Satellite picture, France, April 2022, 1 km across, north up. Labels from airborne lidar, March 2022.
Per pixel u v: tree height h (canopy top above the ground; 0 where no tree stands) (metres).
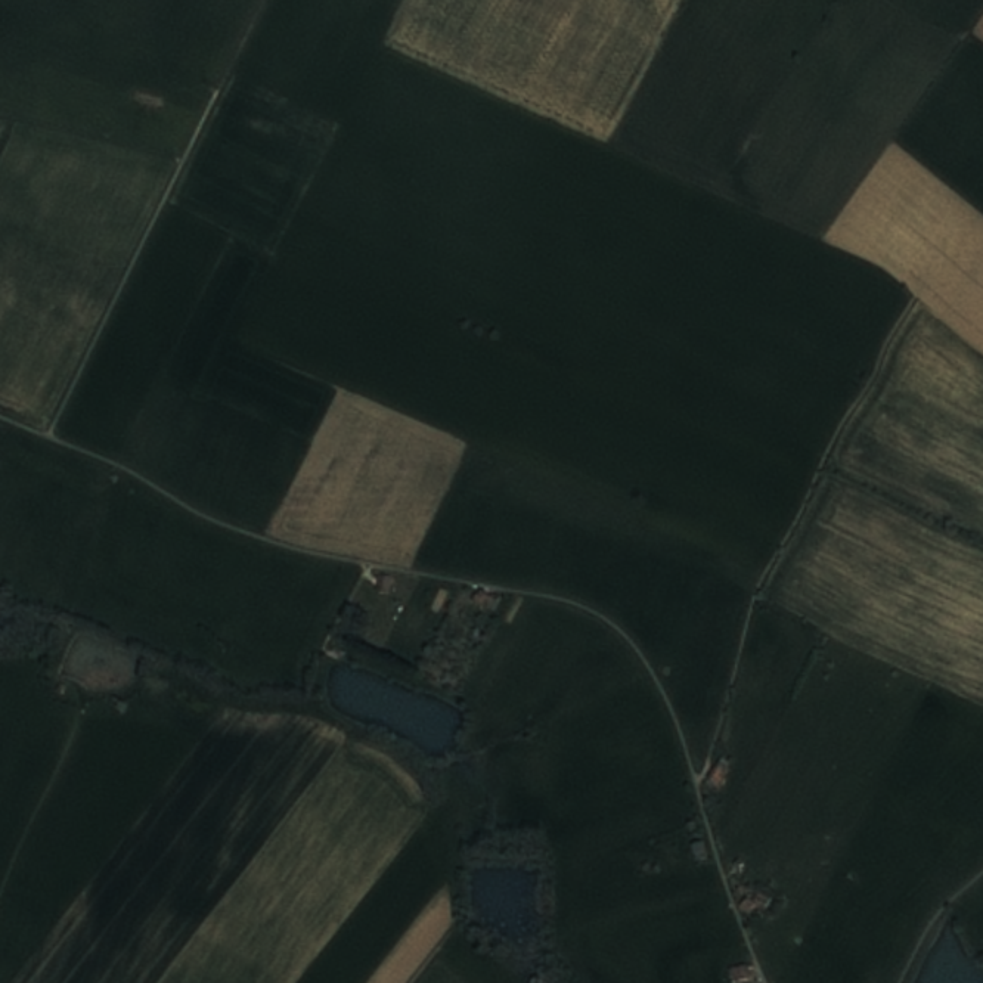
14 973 0
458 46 0
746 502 0
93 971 0
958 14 0
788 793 0
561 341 0
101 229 0
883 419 0
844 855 0
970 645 0
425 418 0
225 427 0
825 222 0
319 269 0
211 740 0
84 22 0
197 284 0
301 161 0
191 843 0
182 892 0
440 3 0
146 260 0
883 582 0
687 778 0
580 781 0
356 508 0
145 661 14
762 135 0
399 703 0
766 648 0
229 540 0
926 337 0
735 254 0
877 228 0
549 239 0
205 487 0
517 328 0
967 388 0
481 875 0
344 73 0
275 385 0
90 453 0
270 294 0
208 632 6
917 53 0
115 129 0
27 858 0
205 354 0
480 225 0
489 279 0
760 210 0
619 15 0
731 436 0
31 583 0
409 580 0
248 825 0
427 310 0
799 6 0
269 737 0
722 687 0
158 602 0
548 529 0
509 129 0
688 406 0
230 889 0
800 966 0
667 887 0
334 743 0
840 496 0
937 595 0
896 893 0
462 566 0
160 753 0
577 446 0
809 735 0
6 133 0
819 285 0
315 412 0
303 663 0
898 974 0
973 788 0
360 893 0
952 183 0
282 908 0
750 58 0
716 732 0
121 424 0
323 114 0
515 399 0
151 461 0
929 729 0
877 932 0
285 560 0
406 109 0
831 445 0
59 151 0
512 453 0
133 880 0
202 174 0
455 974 0
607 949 0
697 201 0
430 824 0
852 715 0
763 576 0
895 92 0
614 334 0
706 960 0
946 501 0
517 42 0
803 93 0
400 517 0
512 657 0
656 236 0
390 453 0
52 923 0
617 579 0
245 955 0
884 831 0
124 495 0
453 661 6
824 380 0
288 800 0
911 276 0
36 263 0
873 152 0
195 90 0
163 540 0
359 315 0
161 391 0
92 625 17
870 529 0
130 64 0
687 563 0
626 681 0
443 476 0
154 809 0
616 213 0
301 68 0
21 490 0
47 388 0
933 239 0
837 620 0
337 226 0
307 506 0
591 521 0
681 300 0
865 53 0
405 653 0
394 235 0
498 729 0
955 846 0
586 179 0
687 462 0
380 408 0
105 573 0
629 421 0
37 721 0
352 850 0
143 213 0
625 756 0
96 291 0
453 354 0
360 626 16
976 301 0
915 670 0
